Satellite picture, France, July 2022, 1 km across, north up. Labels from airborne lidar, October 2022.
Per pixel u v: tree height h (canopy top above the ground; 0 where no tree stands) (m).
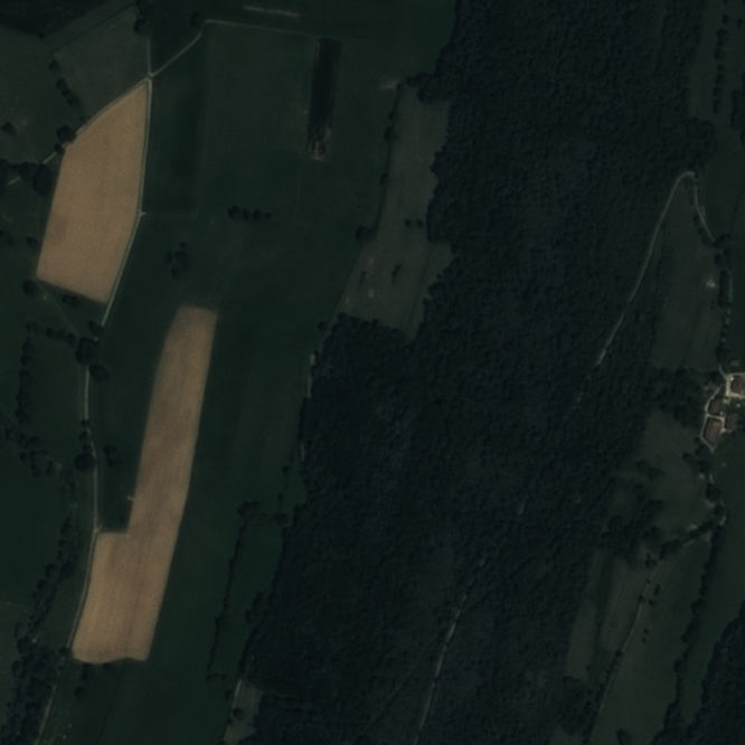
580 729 7
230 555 0
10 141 0
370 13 0
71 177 0
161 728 0
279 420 0
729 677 20
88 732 0
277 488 0
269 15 0
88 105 0
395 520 17
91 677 17
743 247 0
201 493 0
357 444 16
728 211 0
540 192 7
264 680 17
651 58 8
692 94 11
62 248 0
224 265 0
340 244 0
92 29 0
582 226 12
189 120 0
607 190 8
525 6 18
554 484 16
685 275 0
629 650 0
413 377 20
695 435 0
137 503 0
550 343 10
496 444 14
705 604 18
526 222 8
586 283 6
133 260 0
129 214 0
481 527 10
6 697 0
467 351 15
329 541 23
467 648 7
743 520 0
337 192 0
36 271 0
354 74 0
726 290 16
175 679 0
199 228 0
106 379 21
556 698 8
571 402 13
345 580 15
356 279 0
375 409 18
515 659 7
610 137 20
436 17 0
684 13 11
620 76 14
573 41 10
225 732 0
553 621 9
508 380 6
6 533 0
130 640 0
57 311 0
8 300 0
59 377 0
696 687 0
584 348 11
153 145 0
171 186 0
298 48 0
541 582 5
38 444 15
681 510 0
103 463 0
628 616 0
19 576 0
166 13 0
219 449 0
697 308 0
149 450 0
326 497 22
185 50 0
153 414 0
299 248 0
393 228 0
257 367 0
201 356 0
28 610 0
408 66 0
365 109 0
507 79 20
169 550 0
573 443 13
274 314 0
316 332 0
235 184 0
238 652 0
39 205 0
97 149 0
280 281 0
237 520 0
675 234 0
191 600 0
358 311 0
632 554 15
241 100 0
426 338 11
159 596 0
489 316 5
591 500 9
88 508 0
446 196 21
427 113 0
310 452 13
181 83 0
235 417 0
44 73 0
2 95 0
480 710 12
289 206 0
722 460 0
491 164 14
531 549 17
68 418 0
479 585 10
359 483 28
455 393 20
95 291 0
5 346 0
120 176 0
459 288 22
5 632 0
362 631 20
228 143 0
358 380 20
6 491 0
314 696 20
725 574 0
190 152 0
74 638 0
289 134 0
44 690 40
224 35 0
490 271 6
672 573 0
